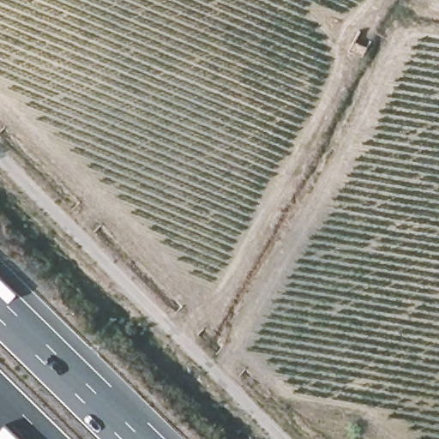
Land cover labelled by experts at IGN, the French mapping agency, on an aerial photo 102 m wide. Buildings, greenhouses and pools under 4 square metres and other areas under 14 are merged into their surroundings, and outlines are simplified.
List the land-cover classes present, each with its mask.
<instances>
[{"label":"vineyard","instance_id":"1","mask_svg":"<svg viewBox=\"0 0 439 439\"><path fill-rule=\"evenodd\" d=\"M364 0H0V75L12 81V91L31 98L27 106L39 110V122L57 127V137L74 142V153L89 158V168L103 173V183L118 189L120 201L134 204V216L153 221L151 230L165 235V245L182 252V257H178V261L192 264L194 276L206 281H216L218 273L230 264L238 235H242L244 230H249L250 221L254 218L266 183L278 175L280 161L292 153L293 139L297 137V132L304 129L305 120L316 108L322 86L328 79L329 69L333 65L331 48L326 45V34L319 33L317 22L307 19L309 5L317 3L345 14ZM406 70H403V75L396 79L391 101L381 110L379 125L376 127L377 134L372 135L370 141L364 142L365 146H369V151L355 158L357 166H353L345 187L338 190V195L328 204H324L328 219L322 223V228L317 230L316 235H310V244L298 259V268L293 269V273L288 276L286 292L281 293L280 298H274L276 309L269 314L268 322L262 324L259 340L247 348V352L261 353V362L273 364L271 367L274 372L286 374L288 384H292L295 393L386 408L391 410L389 418L405 420L410 424V430H420V439H439V38H418V45L413 46L410 60L405 62Z\"/></svg>","mask_w":439,"mask_h":439},{"label":"plowed land","instance_id":"2","mask_svg":"<svg viewBox=\"0 0 439 439\"><path fill-rule=\"evenodd\" d=\"M394 0H364L345 14L317 3L309 5L307 19L317 22L319 33L326 34V45L331 48L333 65L329 69L328 79L322 86L316 108L305 120L304 129L297 132V137L293 139L292 153L280 161L278 175L266 183L254 218L250 221L249 230H244L242 235H238L230 264L218 273L216 281H206L194 276L192 264L178 261V257H182V252L165 245V235L151 230L153 221L134 216V204L120 201L118 189L103 183V173L89 168V158L74 153V142L57 137V127L39 122V110L27 106L31 98L12 91V81L0 75V158L9 153L15 163L22 166L27 175L39 183L41 189L48 192L51 199L69 214L75 225L81 226L84 232L89 233L91 238L110 252L115 264H122L123 268L130 269L132 280L144 283L147 290L165 305L166 314L171 321L177 322L180 331L197 341L201 331L213 336L219 322L223 321L238 286L252 268V262L259 254V250L271 237L273 226L280 218L281 209L292 199L298 183L305 177L310 161L316 156L317 149L322 144V134L328 130L341 99L345 98L346 89L352 84L353 75L357 74L358 60L364 57L365 51L364 46L357 43L360 29L367 27V36L374 38L379 22ZM408 9H412L415 14L439 19V0H410ZM439 38V26L401 27L400 22L396 21L393 22V27L386 31V41L382 43L374 65L365 72L358 84L352 105L348 106L345 117L338 123V129L334 132L331 147L324 153L319 168L305 185L304 197L297 202V209L288 213V218L280 230V240L274 242L273 249L262 261L261 268L252 280L249 293H245L235 307L232 328L223 329L219 336V355L214 360L221 372L232 377L233 381L244 389L250 400H254L262 412L273 418L292 439H420V430H410V424L405 420L389 418L391 410L386 408L295 393L292 384H288L286 374L274 372L271 367L273 364L261 362V353L247 352V348L259 340L262 324L268 322L269 314L276 309L274 298H280L281 293L286 292L288 276L293 273V269L298 268V259L310 244V235H316L317 230L322 228V223L328 219L324 204H328L338 195V190L345 187L353 166H357L355 158L369 151V146H365L364 142L370 141L372 135L377 134L376 127L379 125L381 110L391 101L396 79L403 75V70H406L405 62L410 60L413 46L418 45V38ZM0 187L17 197L22 211L29 214V219L34 225H38L39 230L45 233L46 238L53 240L65 256L77 262L82 273L94 283H98L113 302L122 305L130 317L144 316L142 310L129 297L118 292L117 283L111 280L110 274L99 268L93 257L84 252L82 245L62 230L55 219L48 216L45 209L36 206V202L29 199L26 192L7 175V171L0 168ZM151 331L166 355L178 360L187 372H192L202 388L213 396V400L218 401L219 406H225L233 417L240 418L244 424L249 425L257 437L264 439H268V432L257 424L256 418L250 417L249 413L235 406L225 389L195 362L194 358L183 352L170 334L156 328L154 324Z\"/></svg>","mask_w":439,"mask_h":439},{"label":"impervious surface","instance_id":"3","mask_svg":"<svg viewBox=\"0 0 439 439\"><path fill-rule=\"evenodd\" d=\"M31 281L36 288L26 297H22L0 281V439H201L194 430L183 424L182 418L170 410L168 401L159 398L158 394L151 393L139 377L132 374L118 360L117 355H113L99 343L98 336L91 331V324L84 322V317H75L74 312L60 300L58 288L50 290L45 285V280L38 278L36 274Z\"/></svg>","mask_w":439,"mask_h":439},{"label":"brushwood","instance_id":"4","mask_svg":"<svg viewBox=\"0 0 439 439\"><path fill-rule=\"evenodd\" d=\"M410 0H394L379 22L374 38L369 50L365 51L364 57L358 60L357 74L353 75L352 84L346 89L345 98L341 99L328 130L322 134V144L317 149L316 156L310 161L305 177L298 183L292 199L281 209L280 218L273 226L271 237L259 250V254L252 262V268L238 286L223 321L219 322L213 336L201 331L197 341L202 350L214 360L219 355V336L223 329L232 328L235 307L245 293H249L252 280L261 268L262 261L273 249L274 242L280 240V230L288 218V213L297 209V202L304 197L305 185L319 168L324 153L331 147L334 132L338 129V123L345 117L348 106L352 105L358 84L365 72L374 65L382 43L386 41V31L393 27V22L396 21L400 22L401 27L439 26V19L415 14L412 9H408ZM36 274L38 278L45 280V285L50 290L58 288L60 300L74 312L75 317H84V322L91 324V331L98 336L99 343L113 355H117L118 360L132 374L139 377L151 393L158 394L159 398L168 401L170 410L182 418L183 424L194 430L201 439H264L257 437L249 425L244 424L240 418L233 417L225 406H219L218 401L213 400V396L202 388L192 372H187L178 360L166 355L151 331L154 324L144 316L130 317L122 305L113 302L98 283H94L82 273L77 262L65 256L53 240L46 238L45 233L39 230L38 225H34L29 219V214L22 211L17 197L0 187V281L22 297H26L36 288L31 281Z\"/></svg>","mask_w":439,"mask_h":439},{"label":"pervious surface","instance_id":"5","mask_svg":"<svg viewBox=\"0 0 439 439\"><path fill-rule=\"evenodd\" d=\"M0 168L7 171V175L26 192L29 199L36 202V206L45 209L48 216L55 219L62 230L82 245L84 252L93 257L99 268L110 274L111 280L117 283L118 292L129 297L142 310L144 316L154 324L156 328L170 334L183 352L194 358L195 362L225 389L235 406L249 413L250 417L256 418L257 424L268 432V439H292L273 418L262 412L254 400H250L244 389L233 381L232 377L221 372L214 360L202 350L197 341L180 331L177 322L171 321L166 314L165 305L147 290L144 283L132 280L130 269L123 268L122 264H115L110 252L91 238L89 233L84 232L81 226L75 225L69 214L51 199L48 192L41 189L39 183L27 175L22 166L15 163L9 153L0 158Z\"/></svg>","mask_w":439,"mask_h":439},{"label":"building","instance_id":"6","mask_svg":"<svg viewBox=\"0 0 439 439\"><path fill-rule=\"evenodd\" d=\"M367 27L360 29L357 43L364 46L365 51L369 50L374 38L367 36Z\"/></svg>","mask_w":439,"mask_h":439}]
</instances>
